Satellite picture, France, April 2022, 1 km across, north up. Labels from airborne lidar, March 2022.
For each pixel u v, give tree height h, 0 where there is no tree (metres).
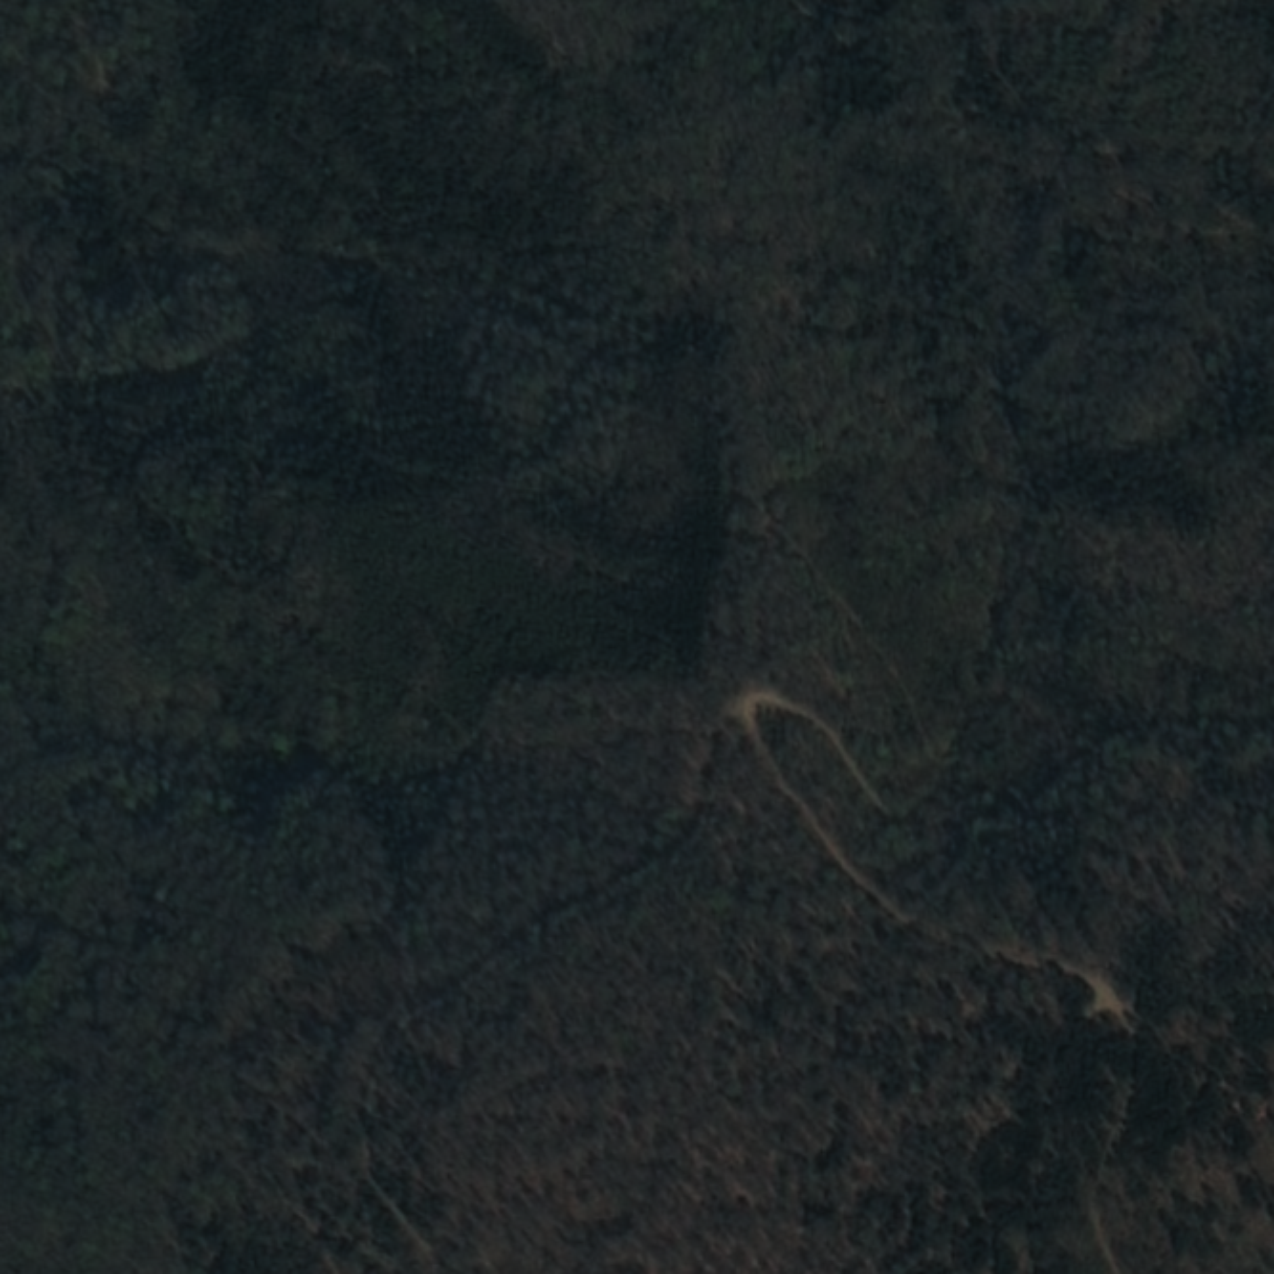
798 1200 27
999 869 24
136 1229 29
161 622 23
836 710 24
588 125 18
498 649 19
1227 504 18
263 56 22
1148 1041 12
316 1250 27
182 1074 24
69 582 30
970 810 20
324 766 9
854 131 28
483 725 22
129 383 19
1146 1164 19
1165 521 21
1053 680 13
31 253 41
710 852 22
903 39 28
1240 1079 12
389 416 16
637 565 12
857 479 14
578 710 28
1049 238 35
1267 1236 16
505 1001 23
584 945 23
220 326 34
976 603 16
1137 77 11
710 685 18
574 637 18
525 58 17
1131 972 22
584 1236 29
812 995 33
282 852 32
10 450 18
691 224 20
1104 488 16
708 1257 24
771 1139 25
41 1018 29
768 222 35
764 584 30
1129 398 34
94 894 35
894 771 23
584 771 28
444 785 23
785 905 29
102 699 33
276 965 29
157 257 9
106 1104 32
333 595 15
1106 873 27
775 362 34
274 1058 22
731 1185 23
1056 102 14
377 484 30
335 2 18
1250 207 28
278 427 16
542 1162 27
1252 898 23
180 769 38
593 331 30
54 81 33
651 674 17
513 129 18
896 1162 27
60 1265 25
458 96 17
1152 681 19
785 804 26
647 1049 22
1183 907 26
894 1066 23
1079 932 24
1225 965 14
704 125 27
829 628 18
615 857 30
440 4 16
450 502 13
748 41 28
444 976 29
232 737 31
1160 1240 15
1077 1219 18
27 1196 28
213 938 30
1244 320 24
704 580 17
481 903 29
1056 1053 16
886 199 28
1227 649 26
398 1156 24
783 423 29
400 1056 22
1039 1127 13
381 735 28
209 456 25
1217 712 16
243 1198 24
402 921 27
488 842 34
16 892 30
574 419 19
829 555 12
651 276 21
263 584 15
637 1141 20
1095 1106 22
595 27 30
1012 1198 13
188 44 23
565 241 21
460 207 22
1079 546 14
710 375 15
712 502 17
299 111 20
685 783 26
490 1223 29
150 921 24
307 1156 24
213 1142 26
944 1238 23
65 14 32
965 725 7
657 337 21
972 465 16
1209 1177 16
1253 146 16
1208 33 14
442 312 17
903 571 14
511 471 14
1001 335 34
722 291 22
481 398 25
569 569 13
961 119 27
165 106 30
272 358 17
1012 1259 21
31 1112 29
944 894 31
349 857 36
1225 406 21
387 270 17
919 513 18
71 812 33
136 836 37
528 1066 20
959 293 32
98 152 25
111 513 29
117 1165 31
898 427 32
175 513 26
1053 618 16
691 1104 21
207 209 17
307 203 26
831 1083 26
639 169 10
